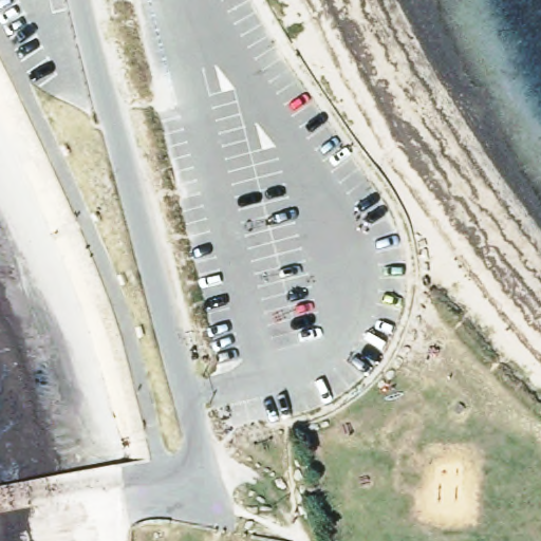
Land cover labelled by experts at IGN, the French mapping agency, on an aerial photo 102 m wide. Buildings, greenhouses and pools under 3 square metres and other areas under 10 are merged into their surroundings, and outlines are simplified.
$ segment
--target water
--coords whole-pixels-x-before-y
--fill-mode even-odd
[[[21,535],[30,530],[30,509],[0,509],[0,541],[21,541]]]
[[[49,429],[49,412],[40,406],[38,399],[38,387],[46,385],[44,372],[32,368],[21,332],[21,319],[13,313],[8,300],[0,294],[0,488],[68,473],[66,461],[55,450],[53,433]]]

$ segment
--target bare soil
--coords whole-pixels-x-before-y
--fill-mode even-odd
[[[8,300],[13,313],[21,319],[21,332],[32,368],[44,372],[46,385],[38,387],[38,399],[40,406],[49,412],[49,429],[53,433],[55,450],[66,461],[68,473],[125,465],[131,463],[131,456],[144,459],[148,463],[148,448],[142,427],[133,385],[129,378],[120,336],[110,304],[91,264],[91,258],[85,249],[78,224],[68,209],[59,184],[51,171],[51,165],[30,127],[30,120],[17,95],[8,78],[0,82],[0,294]]]
[[[49,499],[34,499],[34,507],[30,509],[30,530],[21,535],[21,541],[129,541],[131,524],[127,522],[123,501],[112,492],[53,495]]]
[[[431,275],[431,279],[437,285],[448,290],[452,300],[465,306],[471,321],[482,325],[482,332],[492,340],[499,353],[503,353],[509,361],[516,361],[520,368],[526,370],[530,387],[541,389],[541,0],[264,0],[273,11],[279,30],[287,36],[290,51],[296,53],[296,59],[304,55],[315,74],[325,76],[330,80],[338,108],[347,112],[347,116],[353,120],[353,129],[359,135],[359,139],[368,146],[372,156],[383,165],[383,169],[395,184],[412,216],[414,228],[423,232],[423,237],[427,237],[429,241]]]

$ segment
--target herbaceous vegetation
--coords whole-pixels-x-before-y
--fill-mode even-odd
[[[167,220],[175,228],[175,232],[186,232],[180,199],[165,197]]]
[[[194,266],[194,251],[201,249],[199,243],[180,239],[173,249],[182,292],[190,309],[190,319],[194,323],[203,328],[207,328],[209,321],[209,309],[203,306],[207,296],[203,296],[203,290],[199,287],[199,273]]]
[[[254,537],[256,541],[292,541],[287,537],[271,533],[249,533],[245,528],[243,537]]]
[[[541,423],[541,389],[530,387],[526,370],[520,368],[516,361],[509,361],[505,361],[495,372],[497,383],[503,389],[507,389],[511,397],[516,397],[530,412],[533,418]]]
[[[161,173],[163,188],[175,188],[175,182],[173,167],[167,154],[163,123],[154,108],[144,108],[144,114],[148,129],[152,146],[156,148],[156,163],[161,167]]]
[[[448,370],[448,385],[437,389],[427,389],[421,380],[393,376],[389,385],[372,387],[361,399],[351,404],[347,410],[330,416],[328,425],[321,427],[317,433],[317,459],[323,465],[323,473],[319,478],[319,484],[311,488],[304,484],[302,473],[294,469],[296,454],[290,429],[271,429],[266,421],[254,421],[241,427],[232,427],[230,433],[222,435],[220,442],[235,452],[232,459],[237,463],[258,473],[256,482],[241,484],[235,490],[241,495],[243,505],[247,509],[254,509],[258,516],[275,518],[281,526],[294,526],[300,522],[311,541],[315,541],[313,528],[321,524],[323,514],[315,499],[304,497],[304,492],[313,490],[323,490],[328,495],[330,505],[340,514],[336,522],[336,541],[541,541],[541,442],[533,433],[516,435],[509,427],[509,421],[503,414],[499,414],[499,410],[492,406],[490,391],[484,389],[484,383],[478,378],[467,378],[461,370]],[[467,528],[442,528],[429,522],[418,522],[412,514],[412,497],[416,495],[423,475],[416,473],[416,463],[412,461],[412,456],[416,456],[431,444],[467,442],[475,444],[484,452],[478,524]]]
[[[471,321],[465,306],[452,300],[448,290],[437,285],[431,279],[431,275],[423,277],[427,296],[431,298],[440,319],[454,332],[454,336],[461,340],[465,349],[471,351],[471,355],[482,366],[490,366],[499,357],[499,353],[492,340],[482,332],[482,325]]]
[[[228,528],[199,528],[161,520],[131,524],[129,541],[203,541],[205,537],[211,537],[213,530],[228,533]]]

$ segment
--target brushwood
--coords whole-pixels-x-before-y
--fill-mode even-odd
[[[294,469],[302,473],[304,484],[311,488],[319,484],[319,478],[323,473],[323,465],[317,459],[317,433],[309,427],[306,421],[294,423],[290,429],[296,454]]]
[[[304,492],[304,497],[315,499],[323,514],[321,524],[313,528],[315,541],[336,541],[336,522],[340,514],[330,505],[328,495],[323,490],[313,490]]]

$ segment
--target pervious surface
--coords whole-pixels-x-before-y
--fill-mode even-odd
[[[197,372],[201,374],[201,378],[209,378],[218,368],[216,361],[209,361],[209,353],[213,351],[211,342],[203,340],[203,328],[194,323],[190,330],[182,330],[182,334],[186,342],[192,344],[190,355],[197,363]]]
[[[148,129],[135,137],[131,148],[142,148],[144,158],[152,165],[156,173],[161,173],[161,167],[156,163],[156,148],[152,146]]]
[[[249,533],[271,533],[287,537],[292,541],[311,541],[300,522],[294,526],[281,526],[275,518],[258,516],[254,509],[247,509],[243,505],[235,505],[235,516],[239,516],[237,528],[228,528],[228,533],[213,530],[211,537],[205,537],[203,541],[256,541],[254,537],[243,537],[245,528]]]
[[[173,410],[173,402],[167,387],[169,383],[163,370],[158,336],[152,323],[146,287],[131,241],[118,182],[114,175],[112,161],[108,156],[106,139],[99,135],[99,118],[97,114],[89,114],[80,108],[70,106],[68,101],[55,97],[44,89],[36,89],[34,82],[17,95],[30,120],[30,127],[51,165],[51,171],[59,184],[68,209],[78,224],[85,249],[91,258],[91,264],[110,304],[120,336],[129,378],[133,385],[142,427],[154,418],[158,421],[161,442],[167,452],[175,452],[180,448],[182,437],[178,414]]]
[[[412,456],[412,461],[416,463],[416,473],[423,475],[416,495],[412,497],[412,514],[418,522],[429,522],[442,528],[467,528],[478,524],[484,452],[475,444],[467,442],[431,444],[416,456]]]
[[[503,414],[509,421],[509,427],[516,435],[533,433],[541,442],[541,423],[533,418],[530,412],[516,397],[511,397],[507,389],[503,389],[497,383],[495,372],[505,361],[509,361],[503,353],[499,353],[499,357],[490,366],[482,366],[471,355],[471,351],[465,349],[461,340],[454,336],[448,347],[431,344],[425,353],[418,353],[414,359],[406,359],[399,355],[399,366],[393,368],[393,376],[421,380],[427,389],[437,389],[448,385],[448,370],[461,370],[467,378],[478,378],[484,383],[484,389],[490,391],[492,406],[499,410],[499,414]]]
[[[235,452],[220,442],[222,435],[230,433],[232,427],[228,427],[226,423],[232,418],[232,406],[224,406],[224,414],[218,414],[216,410],[218,389],[209,391],[207,412],[218,435],[209,442],[209,448],[216,456],[226,492],[232,495],[235,490],[241,484],[256,482],[258,473],[237,463],[232,459]]]
[[[131,112],[144,114],[144,108],[154,108],[150,89],[152,78],[139,38],[135,8],[131,4],[133,0],[106,0],[108,8],[116,11],[116,15],[110,17],[110,25],[118,32],[116,44],[125,53],[125,59],[129,63],[129,80],[137,89],[137,93],[131,97]]]

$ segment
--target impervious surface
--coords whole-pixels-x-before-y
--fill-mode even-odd
[[[290,429],[294,423],[306,421],[309,427],[317,433],[321,427],[328,425],[330,416],[347,410],[351,404],[361,399],[372,387],[389,385],[393,376],[393,368],[399,366],[399,355],[406,359],[414,359],[418,353],[425,353],[431,344],[448,347],[454,336],[454,332],[440,319],[431,298],[427,296],[423,277],[431,275],[429,241],[427,237],[423,237],[423,232],[414,228],[412,216],[395,184],[383,169],[383,165],[372,156],[368,146],[359,139],[359,135],[353,129],[353,120],[347,116],[347,112],[338,108],[330,80],[325,76],[315,74],[304,55],[296,59],[296,53],[290,51],[287,36],[279,30],[273,11],[264,0],[133,0],[131,4],[135,8],[139,38],[152,78],[150,89],[154,108],[163,123],[167,154],[173,167],[175,182],[175,188],[163,188],[161,173],[156,173],[152,165],[144,158],[142,148],[131,148],[135,137],[148,129],[144,114],[131,112],[131,97],[137,93],[137,89],[129,80],[129,63],[125,59],[125,53],[116,44],[118,32],[110,25],[110,17],[116,15],[116,11],[108,8],[106,0],[0,0],[0,82],[8,78],[17,95],[34,82],[36,89],[44,89],[55,97],[68,101],[70,106],[80,108],[89,114],[97,114],[99,118],[99,135],[106,139],[108,156],[112,161],[114,175],[118,182],[131,241],[146,287],[152,323],[158,336],[163,370],[169,383],[167,387],[173,402],[173,410],[178,414],[182,437],[180,448],[175,452],[167,452],[161,442],[158,421],[154,418],[142,427],[148,448],[148,463],[144,459],[131,456],[131,463],[125,465],[68,473],[0,488],[0,509],[30,509],[34,507],[34,499],[49,499],[53,495],[112,492],[123,501],[127,522],[131,524],[161,520],[199,528],[228,528],[237,528],[239,516],[235,516],[235,505],[243,505],[241,495],[235,490],[232,495],[226,492],[216,456],[209,448],[209,442],[218,435],[207,412],[209,391],[218,389],[216,410],[218,414],[224,414],[224,406],[232,406],[232,418],[226,423],[228,427],[232,427],[241,427],[254,421],[266,421],[271,429]],[[165,197],[180,199],[186,232],[175,232],[175,228],[167,220]],[[190,319],[190,309],[182,292],[173,249],[180,239],[199,243],[201,249],[194,251],[194,266],[199,273],[199,287],[203,290],[203,296],[207,296],[203,306],[209,309],[209,321],[207,328],[203,328],[203,340],[211,342],[213,351],[209,353],[209,361],[216,361],[218,368],[209,378],[201,378],[201,374],[197,372],[197,363],[190,355],[192,344],[186,342],[182,334],[182,330],[190,330],[194,323]]]

